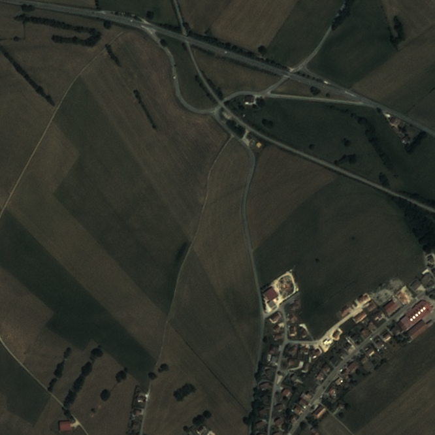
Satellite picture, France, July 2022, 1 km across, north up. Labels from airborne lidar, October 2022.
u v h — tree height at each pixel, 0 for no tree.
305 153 0
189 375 0
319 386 0
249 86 0
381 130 0
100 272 0
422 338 0
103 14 0
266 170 0
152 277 0
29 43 0
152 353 0
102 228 0
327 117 0
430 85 0
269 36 0
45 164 0
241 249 0
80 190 0
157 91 0
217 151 0
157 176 0
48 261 0
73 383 0
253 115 0
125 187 0
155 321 0
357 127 0
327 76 0
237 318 0
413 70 0
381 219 0
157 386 0
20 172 0
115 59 11
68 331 0
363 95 0
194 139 0
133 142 0
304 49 0
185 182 0
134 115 0
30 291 0
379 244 0
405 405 0
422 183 0
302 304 0
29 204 0
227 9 0
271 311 0
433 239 11
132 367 0
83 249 0
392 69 0
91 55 0
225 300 0
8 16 0
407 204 14
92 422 0
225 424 0
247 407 0
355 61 0
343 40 0
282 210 0
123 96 0
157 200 0
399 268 0
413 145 13
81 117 0
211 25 0
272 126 13
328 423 0
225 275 0
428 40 0
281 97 0
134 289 0
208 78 6
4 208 0
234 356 0
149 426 0
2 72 0
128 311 0
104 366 0
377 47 0
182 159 0
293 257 0
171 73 0
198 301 0
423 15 0
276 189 0
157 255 0
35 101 0
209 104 0
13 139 0
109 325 0
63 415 0
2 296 0
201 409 0
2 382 0
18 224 0
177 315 0
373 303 6
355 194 0
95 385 0
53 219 0
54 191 0
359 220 0
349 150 0
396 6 0
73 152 0
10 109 0
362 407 0
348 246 0
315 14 0
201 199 0
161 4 0
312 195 0
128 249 0
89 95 0
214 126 0
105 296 0
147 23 0
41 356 0
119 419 0
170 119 0
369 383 0
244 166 0
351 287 0
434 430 0
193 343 0
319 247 0
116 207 0
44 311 0
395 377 0
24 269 0
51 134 0
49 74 0
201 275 0
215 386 0
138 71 0
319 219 0
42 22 11
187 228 0
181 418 0
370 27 0
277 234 0
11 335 0
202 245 0
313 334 0
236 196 0
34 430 0
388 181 9
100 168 0
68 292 0
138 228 0
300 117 0
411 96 0
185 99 0
